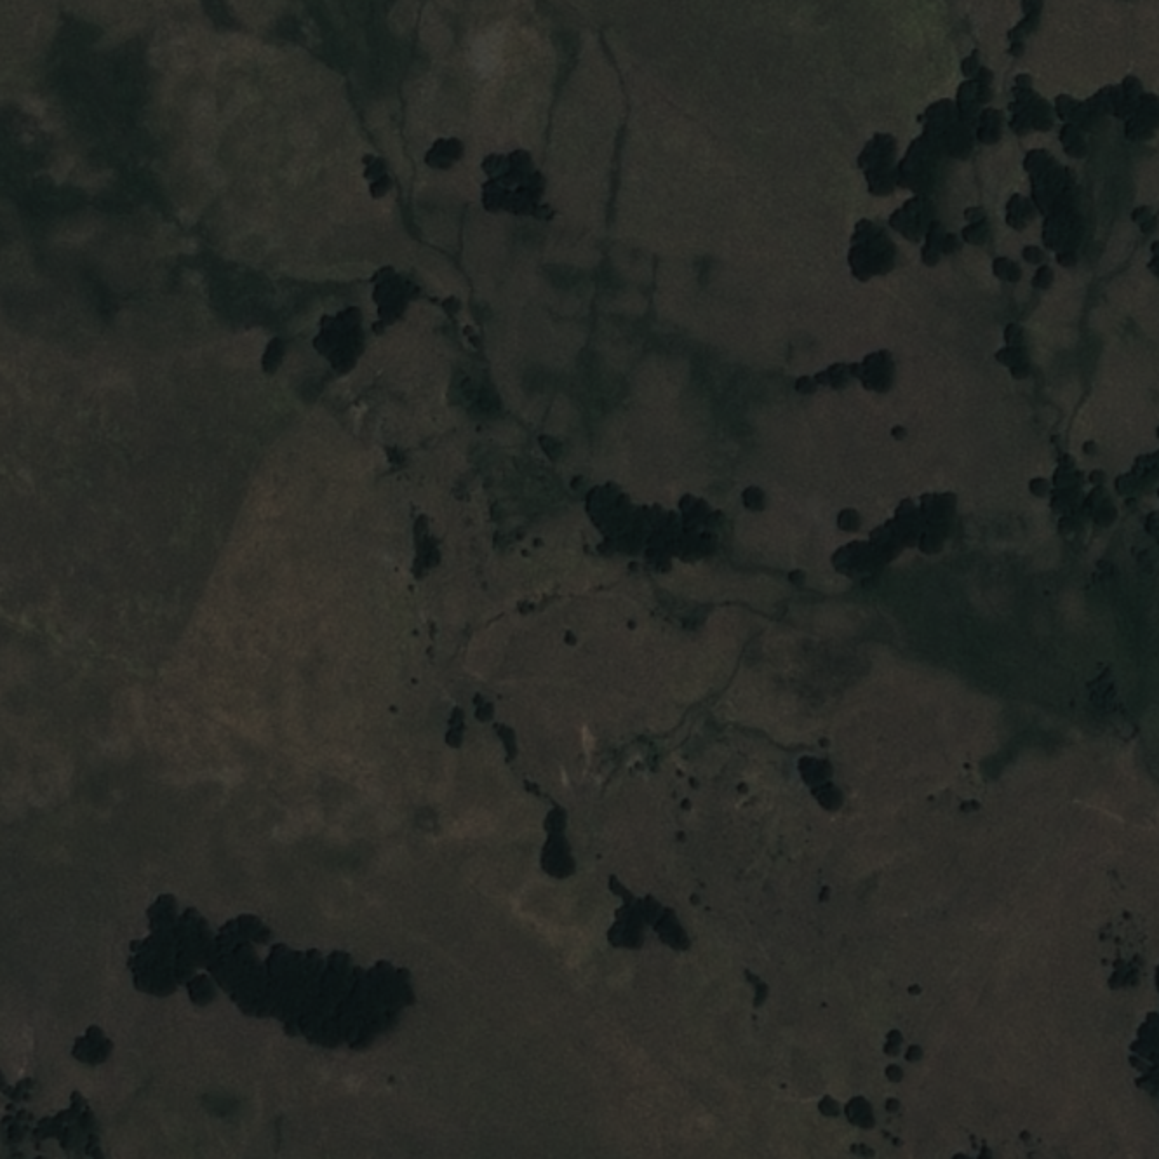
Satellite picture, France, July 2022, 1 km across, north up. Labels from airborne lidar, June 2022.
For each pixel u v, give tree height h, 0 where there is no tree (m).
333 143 0
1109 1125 0
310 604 0
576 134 0
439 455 0
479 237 0
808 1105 0
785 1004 0
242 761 0
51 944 0
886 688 0
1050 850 0
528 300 0
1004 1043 0
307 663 0
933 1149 0
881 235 16
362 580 0
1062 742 0
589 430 0
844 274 0
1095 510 14
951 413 0
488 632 0
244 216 0
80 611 0
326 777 0
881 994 0
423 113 0
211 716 0
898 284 0
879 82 0
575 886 0
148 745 0
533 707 0
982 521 0
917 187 16
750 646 0
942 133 16
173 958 16
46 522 0
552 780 0
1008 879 0
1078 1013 0
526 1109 0
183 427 0
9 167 0
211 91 0
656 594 0
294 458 0
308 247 0
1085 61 0
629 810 0
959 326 0
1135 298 0
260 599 0
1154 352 0
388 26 0
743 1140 0
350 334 14
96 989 0
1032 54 0
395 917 0
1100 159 0
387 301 13
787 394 0
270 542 0
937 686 0
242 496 0
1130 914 8
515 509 0
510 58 0
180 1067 0
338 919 0
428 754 0
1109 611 0
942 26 0
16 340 0
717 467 0
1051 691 0
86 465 0
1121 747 0
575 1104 0
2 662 0
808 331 0
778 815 0
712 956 0
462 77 0
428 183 0
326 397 0
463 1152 0
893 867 0
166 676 0
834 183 0
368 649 0
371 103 0
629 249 0
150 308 0
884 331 0
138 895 0
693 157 0
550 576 0
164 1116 0
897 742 0
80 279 0
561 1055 0
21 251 0
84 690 0
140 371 0
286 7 0
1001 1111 0
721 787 0
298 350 0
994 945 0
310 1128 0
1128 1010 0
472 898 0
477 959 0
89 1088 0
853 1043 0
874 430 0
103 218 0
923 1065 0
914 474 0
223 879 0
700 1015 0
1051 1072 0
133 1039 0
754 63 0
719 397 0
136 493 0
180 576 0
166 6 0
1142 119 16
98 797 0
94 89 0
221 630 0
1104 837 0
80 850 0
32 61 0
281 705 0
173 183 0
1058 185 15
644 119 0
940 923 0
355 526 0
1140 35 0
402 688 0
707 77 0
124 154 0
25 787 0
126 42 0
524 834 0
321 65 0
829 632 0
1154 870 0
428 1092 0
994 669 0
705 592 0
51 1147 0
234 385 0
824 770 23
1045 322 0
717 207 0
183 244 0
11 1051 0
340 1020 18
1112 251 0
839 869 0
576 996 0
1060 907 0
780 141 0
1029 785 0
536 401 0
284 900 0
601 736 0
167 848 0
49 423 0
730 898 0
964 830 0
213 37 0
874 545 13
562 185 0
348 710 0
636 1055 0
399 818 0
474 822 0
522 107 0
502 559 0
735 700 0
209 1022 0
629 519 18
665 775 0
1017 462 0
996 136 16
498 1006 0
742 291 0
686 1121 0
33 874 0
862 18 0
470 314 0
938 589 0
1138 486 14
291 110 0
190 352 0
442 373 0
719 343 0
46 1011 0
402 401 0
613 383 0
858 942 0
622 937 14
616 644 0
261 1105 0
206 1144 0
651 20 0
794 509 0
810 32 0
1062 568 0
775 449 0
